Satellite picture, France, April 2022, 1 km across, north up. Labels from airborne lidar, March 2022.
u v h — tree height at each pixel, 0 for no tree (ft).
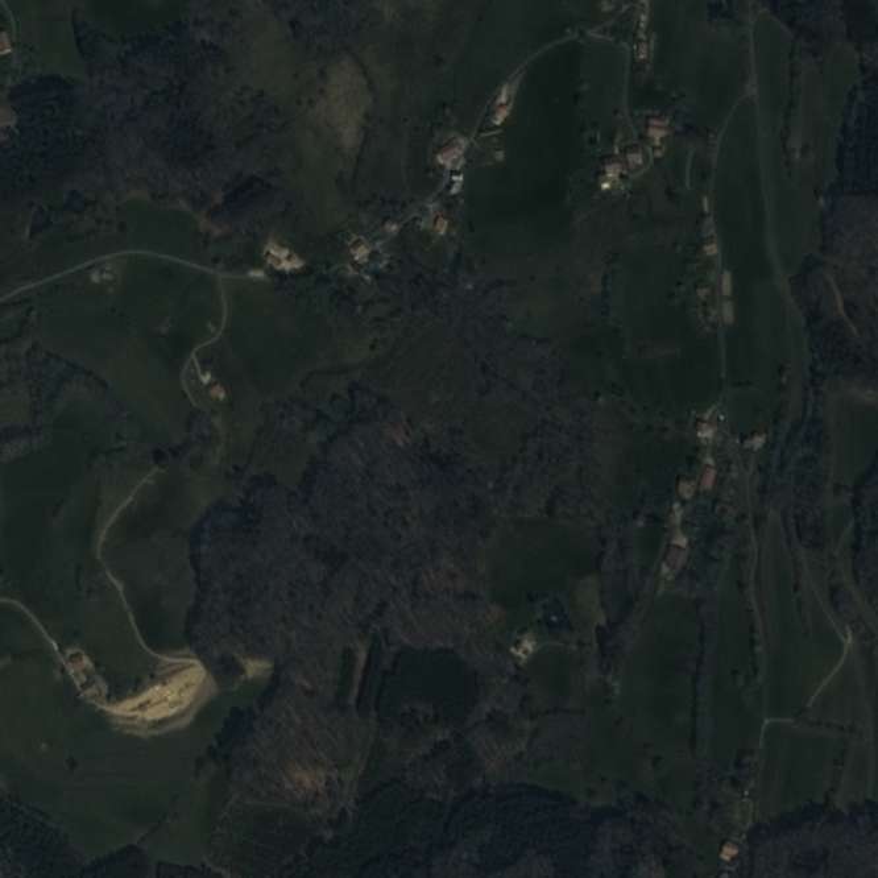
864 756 0
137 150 107
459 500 117
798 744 0
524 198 0
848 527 0
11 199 93
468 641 110
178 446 0
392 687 77
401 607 114
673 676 0
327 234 0
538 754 66
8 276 0
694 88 0
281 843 20
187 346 0
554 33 0
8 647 0
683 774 0
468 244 0
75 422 0
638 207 0
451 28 0
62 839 48
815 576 0
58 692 0
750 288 0
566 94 0
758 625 53
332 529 122
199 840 0
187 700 0
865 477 0
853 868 112
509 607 0
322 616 113
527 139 0
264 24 0
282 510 108
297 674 102
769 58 0
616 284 49
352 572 114
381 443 117
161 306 0
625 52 0
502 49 0
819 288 83
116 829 0
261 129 49
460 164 0
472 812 105
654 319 0
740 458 0
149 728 0
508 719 100
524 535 0
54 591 0
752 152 0
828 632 0
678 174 0
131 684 0
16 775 0
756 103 0
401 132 0
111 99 99
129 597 0
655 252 0
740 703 0
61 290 26
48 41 0
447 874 97
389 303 29
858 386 80
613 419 0
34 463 0
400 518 118
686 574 0
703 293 0
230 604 101
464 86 0
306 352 0
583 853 69
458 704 74
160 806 0
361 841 107
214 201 90
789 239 0
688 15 0
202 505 0
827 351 76
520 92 0
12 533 0
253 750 104
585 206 0
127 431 80
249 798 90
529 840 78
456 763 81
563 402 38
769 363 0
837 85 0
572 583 0
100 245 0
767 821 0
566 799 0
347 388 0
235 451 0
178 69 112
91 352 0
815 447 82
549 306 0
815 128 0
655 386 0
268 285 0
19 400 35
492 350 45
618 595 0
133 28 0
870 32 38
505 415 0
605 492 0
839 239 80
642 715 0
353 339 0
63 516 48
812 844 110
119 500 0
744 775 51
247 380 0
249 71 0
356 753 118
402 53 0
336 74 0
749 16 79
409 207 25
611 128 0
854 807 0
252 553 115
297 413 71
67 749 0
